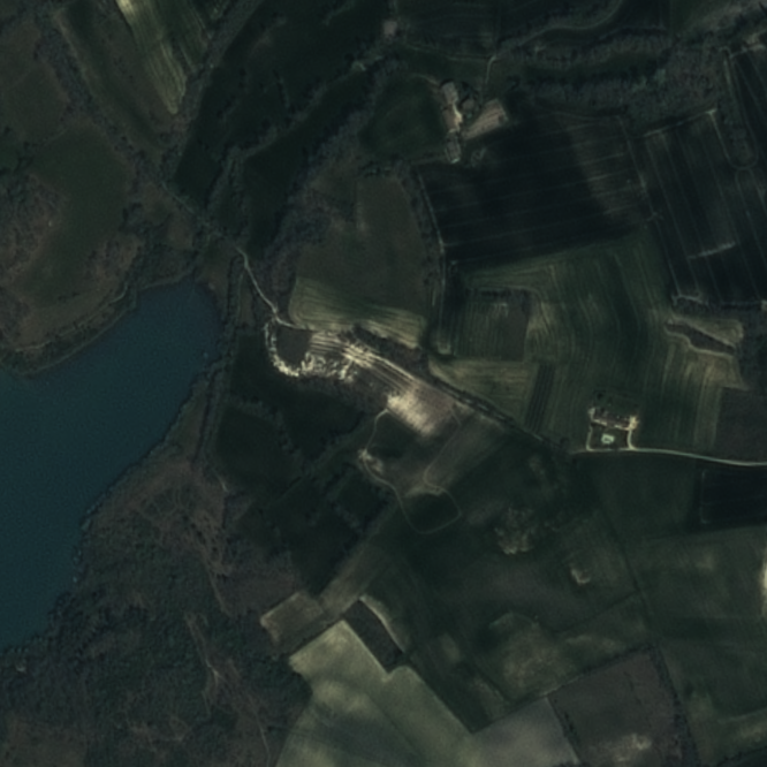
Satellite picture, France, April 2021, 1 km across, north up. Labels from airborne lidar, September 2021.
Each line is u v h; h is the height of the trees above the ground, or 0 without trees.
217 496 0
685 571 0
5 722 14
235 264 9
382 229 0
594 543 0
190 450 0
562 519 0
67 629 9
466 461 0
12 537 0
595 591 0
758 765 0
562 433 0
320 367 0
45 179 0
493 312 0
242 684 11
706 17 0
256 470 0
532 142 0
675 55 16
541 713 0
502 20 0
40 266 0
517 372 0
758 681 0
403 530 0
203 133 0
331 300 0
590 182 0
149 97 0
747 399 0
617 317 0
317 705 0
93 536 10
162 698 16
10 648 7
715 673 0
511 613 0
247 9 16
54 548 0
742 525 0
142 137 0
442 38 0
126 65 0
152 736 0
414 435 0
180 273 7
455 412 0
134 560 15
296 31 0
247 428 0
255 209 0
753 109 0
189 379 0
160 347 0
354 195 0
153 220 0
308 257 0
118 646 11
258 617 13
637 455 0
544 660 0
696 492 0
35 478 0
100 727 13
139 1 0
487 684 0
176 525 8
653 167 0
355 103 0
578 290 0
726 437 0
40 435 0
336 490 14
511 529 0
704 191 0
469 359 0
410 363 6
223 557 6
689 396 0
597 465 0
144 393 0
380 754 0
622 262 0
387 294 0
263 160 0
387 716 0
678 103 15
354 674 0
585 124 0
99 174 0
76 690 19
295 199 13
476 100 8
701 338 9
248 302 0
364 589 0
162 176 16
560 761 0
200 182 0
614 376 0
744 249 0
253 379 0
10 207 17
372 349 14
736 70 0
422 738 0
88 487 0
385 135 0
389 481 0
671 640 0
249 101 0
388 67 19
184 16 0
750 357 12
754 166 0
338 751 0
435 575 0
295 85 0
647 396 0
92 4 0
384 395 0
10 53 0
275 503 0
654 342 0
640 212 0
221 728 9
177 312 0
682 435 0
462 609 0
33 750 0
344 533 0
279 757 0
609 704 0
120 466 0
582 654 0
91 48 0
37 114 0
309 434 0
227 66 0
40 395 0
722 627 0
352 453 0
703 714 0
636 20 0
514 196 0
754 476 0
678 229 0
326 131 0
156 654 6
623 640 0
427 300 0
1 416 0
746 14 0
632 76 0
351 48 0
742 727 0
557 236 0
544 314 0
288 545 10
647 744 0
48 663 17
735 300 0
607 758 0
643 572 0
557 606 0
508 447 0
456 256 0
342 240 0
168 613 9
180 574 15
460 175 0
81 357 0
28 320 16
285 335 0
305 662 0
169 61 0
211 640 10
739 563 0
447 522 0
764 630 0
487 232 0
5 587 0
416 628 0
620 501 0
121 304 7
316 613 0
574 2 0
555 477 0
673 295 0
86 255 0
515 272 0
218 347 6
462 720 0
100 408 0
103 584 17
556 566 0
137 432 0
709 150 0
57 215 14
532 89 10
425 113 0
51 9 18
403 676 0
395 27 0
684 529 0
